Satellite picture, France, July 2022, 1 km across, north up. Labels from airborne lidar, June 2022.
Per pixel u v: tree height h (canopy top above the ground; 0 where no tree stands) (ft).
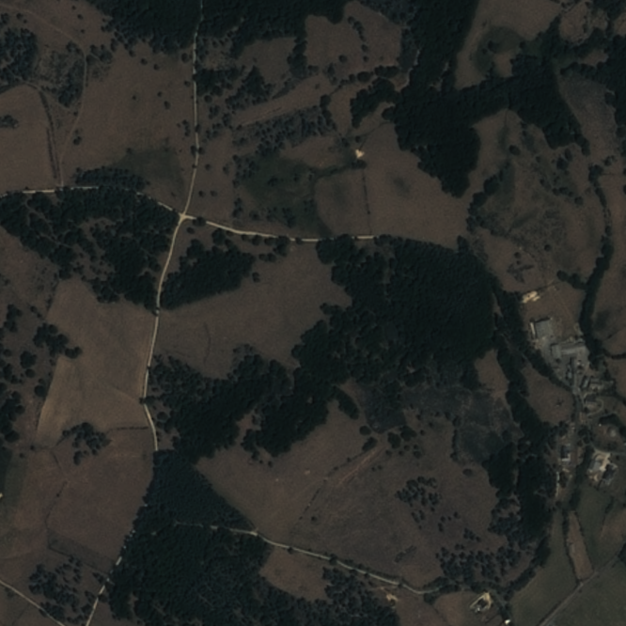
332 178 0
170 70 0
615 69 54
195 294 47
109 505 0
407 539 0
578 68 52
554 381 34
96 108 0
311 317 0
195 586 59
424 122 72
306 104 0
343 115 0
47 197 62
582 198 25
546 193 0
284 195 0
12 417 40
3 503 0
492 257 0
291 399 37
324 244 45
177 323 0
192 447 43
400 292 45
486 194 34
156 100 0
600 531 0
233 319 0
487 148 0
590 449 31
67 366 0
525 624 0
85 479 0
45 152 0
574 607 0
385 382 17
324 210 0
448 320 41
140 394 0
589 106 0
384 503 0
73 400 0
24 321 0
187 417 47
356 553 0
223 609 49
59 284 0
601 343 42
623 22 0
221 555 32
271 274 0
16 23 0
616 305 0
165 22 32
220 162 0
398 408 33
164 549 29
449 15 61
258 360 47
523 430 41
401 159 0
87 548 0
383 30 0
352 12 0
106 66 0
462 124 69
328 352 41
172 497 80
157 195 0
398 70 61
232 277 44
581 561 0
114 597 52
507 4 0
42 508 0
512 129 0
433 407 0
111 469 0
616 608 0
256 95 38
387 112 48
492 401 0
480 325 64
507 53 0
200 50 35
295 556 0
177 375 28
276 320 0
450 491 0
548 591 0
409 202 0
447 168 68
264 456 0
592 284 50
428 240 0
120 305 0
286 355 0
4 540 0
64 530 0
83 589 0
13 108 0
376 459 0
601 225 0
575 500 27
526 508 49
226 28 61
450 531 0
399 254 46
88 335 0
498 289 49
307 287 0
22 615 0
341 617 33
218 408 41
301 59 40
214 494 68
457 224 0
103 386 0
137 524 48
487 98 66
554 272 0
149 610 43
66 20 0
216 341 0
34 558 0
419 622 0
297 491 0
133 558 52
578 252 0
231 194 0
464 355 56
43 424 0
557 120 70
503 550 42
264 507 0
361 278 52
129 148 21
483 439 0
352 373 33
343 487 0
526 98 76
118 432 0
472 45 0
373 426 0
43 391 44
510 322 65
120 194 39
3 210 54
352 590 48
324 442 0
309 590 0
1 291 0
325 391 36
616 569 0
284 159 0
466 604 0
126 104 0
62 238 31
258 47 0
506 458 62
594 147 0
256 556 40
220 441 43
